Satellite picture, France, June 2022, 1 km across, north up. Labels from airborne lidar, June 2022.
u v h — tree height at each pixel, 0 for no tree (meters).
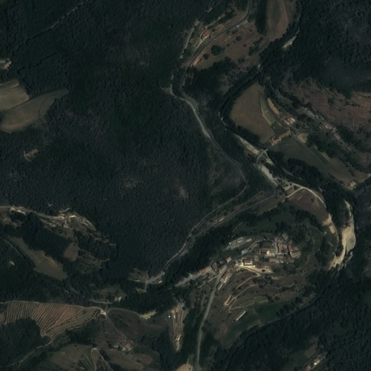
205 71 20
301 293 0
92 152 14
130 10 18
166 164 16
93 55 11
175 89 17
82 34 12
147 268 23
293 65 8
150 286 10
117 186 12
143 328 0
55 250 31
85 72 8
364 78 0
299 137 0
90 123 12
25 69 12
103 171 9
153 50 7
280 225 15
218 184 7
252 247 0
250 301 0
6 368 13
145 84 17
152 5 11
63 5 15
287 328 21
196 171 15
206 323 10
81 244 14
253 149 0
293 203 0
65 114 13
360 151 6
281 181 11
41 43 23
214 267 0
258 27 6
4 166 16
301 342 13
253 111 0
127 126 17
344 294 20
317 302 17
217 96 15
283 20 0
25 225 18
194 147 30
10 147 19
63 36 17
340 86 0
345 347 19
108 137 12
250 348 21
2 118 18
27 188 15
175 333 0
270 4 0
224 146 16
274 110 0
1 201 14
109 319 0
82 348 0
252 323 0
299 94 0
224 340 0
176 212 14
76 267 16
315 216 23
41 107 0
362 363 14
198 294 7
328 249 7
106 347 0
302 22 16
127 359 0
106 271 26
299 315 20
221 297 0
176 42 19
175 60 13
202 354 12
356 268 6
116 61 8
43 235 34
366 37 0
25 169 14
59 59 28
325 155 0
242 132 23
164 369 6
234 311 0
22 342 15
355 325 13
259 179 8
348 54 9
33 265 19
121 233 24
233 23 0
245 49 0
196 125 0
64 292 14
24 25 25
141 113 20
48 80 29
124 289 14
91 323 7
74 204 12
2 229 19
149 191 16
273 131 0
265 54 16
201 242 13
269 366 7
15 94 0
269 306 0
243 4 13
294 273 9
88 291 10
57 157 9
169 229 18
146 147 20
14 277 14
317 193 0
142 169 11
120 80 17
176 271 9
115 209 17
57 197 15
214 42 0
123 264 28
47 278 10
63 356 0
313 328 15
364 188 8
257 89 0
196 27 14
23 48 20
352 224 0
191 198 19
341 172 0
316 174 31
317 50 14
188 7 22
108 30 11
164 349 25
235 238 8
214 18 11
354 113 0
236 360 10
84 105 10
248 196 13
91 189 18
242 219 16
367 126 0
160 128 20
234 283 0
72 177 19
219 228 14
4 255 18
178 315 0
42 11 21
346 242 0
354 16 12
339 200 12
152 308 11
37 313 0
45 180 16
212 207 13
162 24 15
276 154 18
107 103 22
